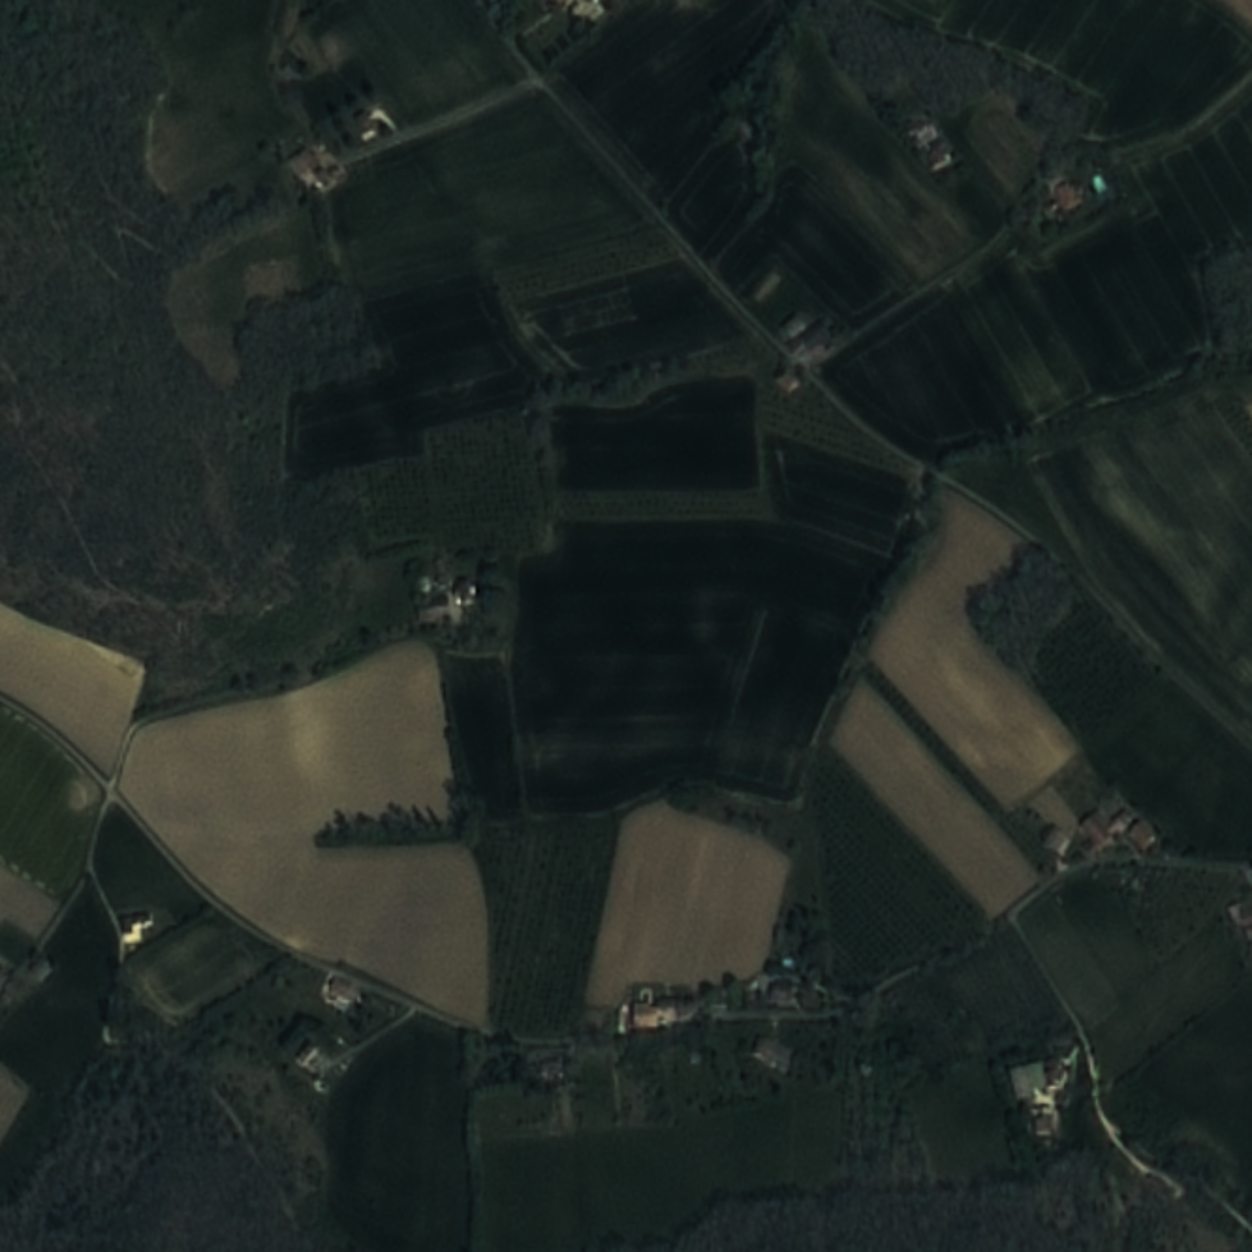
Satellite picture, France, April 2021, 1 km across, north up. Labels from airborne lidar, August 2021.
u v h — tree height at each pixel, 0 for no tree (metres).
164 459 10
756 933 0
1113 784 7
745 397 0
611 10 13
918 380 0
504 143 0
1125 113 0
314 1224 8
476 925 0
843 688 17
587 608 0
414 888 0
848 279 0
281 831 0
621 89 0
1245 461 0
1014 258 0
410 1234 0
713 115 0
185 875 0
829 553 0
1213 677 0
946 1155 0
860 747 0
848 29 20
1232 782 0
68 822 0
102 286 11
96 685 0
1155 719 0
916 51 23
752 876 0
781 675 0
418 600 7
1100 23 0
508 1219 0
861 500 0
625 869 0
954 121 14
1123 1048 0
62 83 16
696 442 0
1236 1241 13
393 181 0
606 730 0
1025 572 20
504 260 0
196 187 0
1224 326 19
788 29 15
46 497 8
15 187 9
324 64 0
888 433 0
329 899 0
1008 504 0
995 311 0
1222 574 0
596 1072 0
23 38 11
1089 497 0
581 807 0
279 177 0
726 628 0
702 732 0
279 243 0
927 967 8
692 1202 0
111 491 12
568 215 0
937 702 0
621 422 0
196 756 0
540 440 16
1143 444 0
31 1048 0
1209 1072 0
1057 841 0
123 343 12
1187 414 0
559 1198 0
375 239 0
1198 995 0
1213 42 0
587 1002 0
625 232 0
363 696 0
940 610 0
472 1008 0
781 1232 20
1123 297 0
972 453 14
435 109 0
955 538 0
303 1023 12
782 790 0
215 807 0
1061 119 24
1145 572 0
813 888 0
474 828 32
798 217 0
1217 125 0
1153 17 0
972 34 0
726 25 0
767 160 19
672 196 0
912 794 0
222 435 9
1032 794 0
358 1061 0
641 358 0
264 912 0
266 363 24
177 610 8
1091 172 9
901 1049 9
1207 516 0
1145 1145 9
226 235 8
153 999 0
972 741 0
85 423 11
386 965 0
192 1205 13
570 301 0
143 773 0
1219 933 0
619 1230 0
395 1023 0
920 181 0
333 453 0
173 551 12
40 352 12
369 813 0
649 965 0
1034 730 0
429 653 0
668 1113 8
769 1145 0
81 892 0
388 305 0
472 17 0
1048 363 0
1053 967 0
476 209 0
